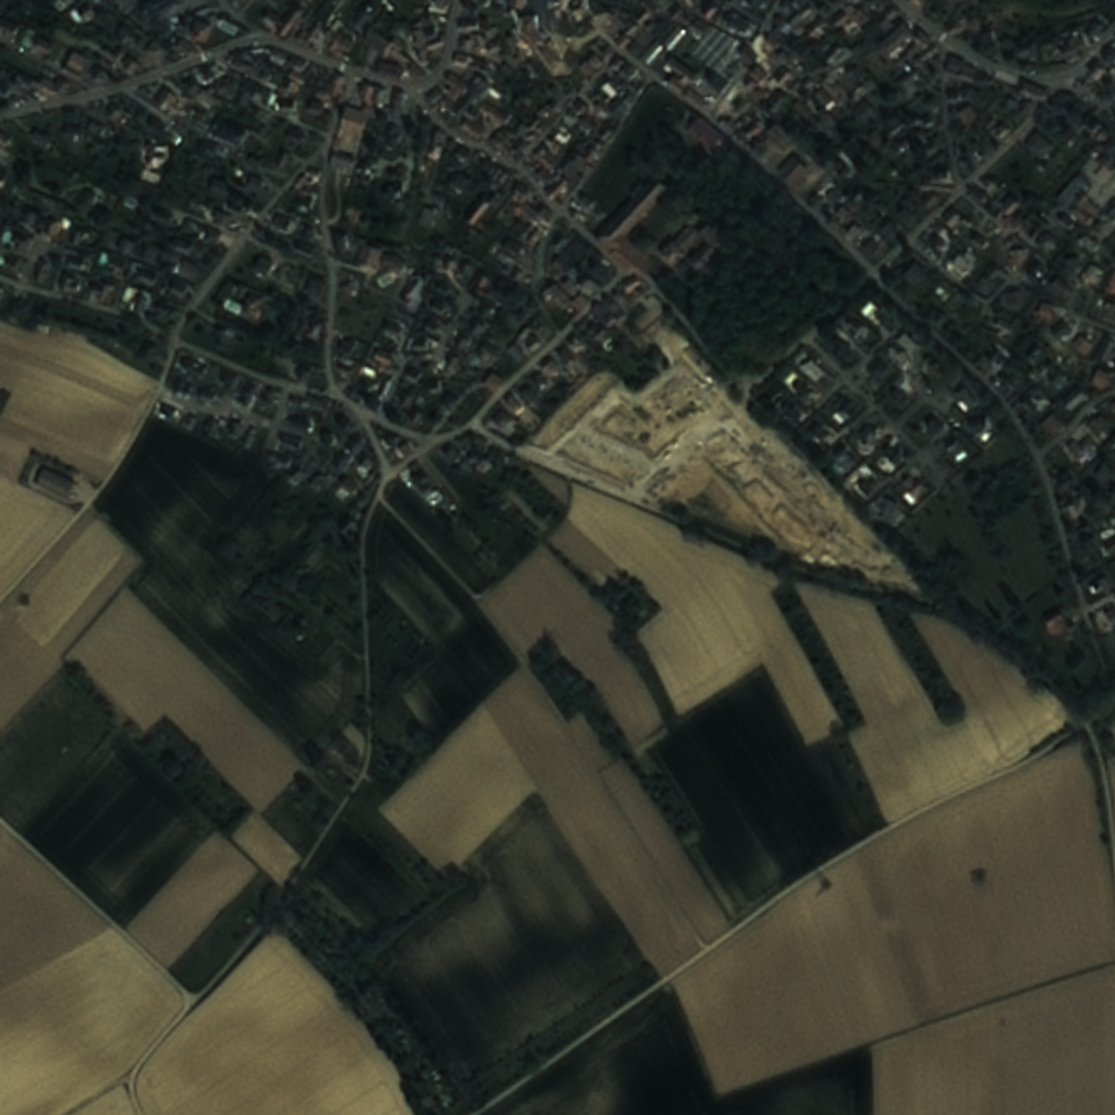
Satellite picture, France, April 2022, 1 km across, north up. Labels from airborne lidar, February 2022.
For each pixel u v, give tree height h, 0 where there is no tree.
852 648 0
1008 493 8
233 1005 0
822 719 0
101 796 0
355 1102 0
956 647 0
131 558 0
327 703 0
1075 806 0
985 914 0
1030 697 0
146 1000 0
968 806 0
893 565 0
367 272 0
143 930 0
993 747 0
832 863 0
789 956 0
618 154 0
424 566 0
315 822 9
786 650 0
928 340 20
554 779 0
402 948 0
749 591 0
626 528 0
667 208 19
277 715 0
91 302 0
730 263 26
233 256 0
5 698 0
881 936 0
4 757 0
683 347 0
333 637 0
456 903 0
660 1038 0
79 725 0
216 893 0
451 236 0
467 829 0
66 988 0
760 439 0
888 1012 0
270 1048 0
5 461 0
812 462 18
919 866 0
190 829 0
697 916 0
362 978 9
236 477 0
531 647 0
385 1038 12
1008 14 20
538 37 0
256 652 0
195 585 0
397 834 0
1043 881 0
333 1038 0
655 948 0
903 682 0
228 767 0
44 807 0
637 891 0
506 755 0
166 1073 0
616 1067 0
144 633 0
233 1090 0
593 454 0
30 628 0
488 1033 0
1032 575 0
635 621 10
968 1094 0
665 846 0
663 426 0
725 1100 0
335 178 0
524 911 0
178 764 14
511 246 0
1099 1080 0
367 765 0
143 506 0
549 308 0
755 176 17
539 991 0
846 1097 0
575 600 0
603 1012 0
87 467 0
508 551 0
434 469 0
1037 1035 0
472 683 0
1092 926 0
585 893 0
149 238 7
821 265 31
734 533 0
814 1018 0
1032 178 0
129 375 0
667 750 0
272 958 0
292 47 0
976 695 0
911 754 0
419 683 0
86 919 0
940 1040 0
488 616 0
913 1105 0
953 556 20
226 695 0
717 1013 0
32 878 0
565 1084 0
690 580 0
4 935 0
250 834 0
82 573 0
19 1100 0
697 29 0
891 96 19
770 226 30
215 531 0
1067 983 0
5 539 0
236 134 0
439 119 0
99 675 0
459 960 0
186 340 0
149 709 0
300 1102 0
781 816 0
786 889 0
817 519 0
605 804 0
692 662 0
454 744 0
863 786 6
